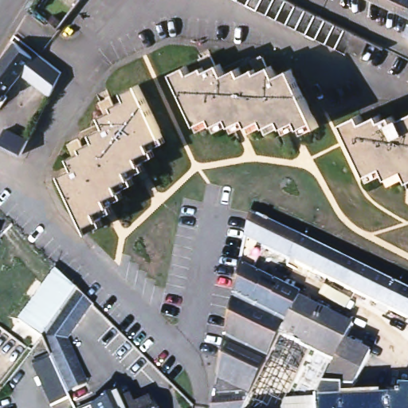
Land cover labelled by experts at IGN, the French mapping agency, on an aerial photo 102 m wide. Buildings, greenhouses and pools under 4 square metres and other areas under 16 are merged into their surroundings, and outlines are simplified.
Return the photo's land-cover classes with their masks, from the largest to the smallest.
<instances>
[{"label":"impervious surface","instance_id":"1","mask_svg":"<svg viewBox=\"0 0 408 408\"><path fill-rule=\"evenodd\" d=\"M37 0H0V61L14 41L21 40L22 37L32 35L51 38L53 45L45 59L61 70V80L54 86L51 94L45 96L41 100L40 110L32 116L27 126H22V134L25 140L19 153L0 147V231L6 236L10 234L11 228L18 229L29 242L45 247L49 257L56 258V268L76 285V295H86V298L92 301L91 306L84 311L72 330L73 343L78 347L91 373L86 381L88 387L70 390L69 395L51 402L41 386L40 378L33 370L32 363L33 357L45 351L48 346L43 335L18 317H14L13 328L10 331H6L0 325V408H92L91 403L99 400L100 394L113 389L118 390L120 395L129 392L134 398L148 395L158 408H209V405L215 403V382L218 379L215 376L217 352L223 351L222 341L225 339L222 333V316L229 309V298H233L234 282L231 280V274H239L237 263L244 257L257 260L269 255L268 249H263L261 244L252 239H247L242 244L239 239L245 222H250V210L241 214L234 210L229 204L231 188L210 182L206 169L242 163L301 167L314 175L324 191L325 198L330 202L331 209L335 210L336 217L347 228L408 260V252L398 249L384 239H379V236L408 226V220L382 206L381 202L371 196L370 191L365 190L367 183L357 182L363 198L370 202L371 206H375L398 222L375 231H365L346 217L328 188L324 175L320 174L319 167L314 163L316 159L339 148L336 143L312 155L308 148L301 145L300 151L293 159L261 156L253 151L250 140L242 142L244 153L241 156L210 163H198L190 145H185L183 150L190 159V169L167 190L159 191L158 188H153L150 206L143 210L142 214L137 215L131 225L124 226L120 220L112 223L115 233L118 234L115 258L108 257L104 249L88 236L92 231L91 225H81L70 206L69 196L64 193L59 182L62 163L70 158L69 143L81 129L78 120L84 110L91 104L92 97L102 94L107 91L105 83L113 70L129 64L134 59H143L150 78H156L155 67L150 61L151 53L167 45L193 46L198 49V62L186 65V70L190 72L210 67L223 73L234 72L239 75L263 69L273 70L274 75L292 72L296 88L300 89L301 96L317 124L320 121L328 124L330 121L343 123L349 118L355 123L387 120L394 124L398 135H405L403 116L408 115V25L406 19L400 18L398 14L387 13L379 6L365 3V0H89L76 16V32L69 27H62L70 13L64 11V16L59 21L49 24L40 14L33 11L32 5ZM194 174H199L202 182L206 183V193L202 201L182 199V223L178 225L175 234L169 276L166 287L159 288L147 279L137 266L132 265L127 255H124V242L129 234L134 233L135 229ZM182 368L188 373L191 381L194 395L191 402H188V398L172 382V379L180 375ZM293 273L301 274L309 285L319 288L320 295L335 301L331 304V311L355 320V327L351 328L347 336L360 339L370 349L362 359L367 367L363 368L359 378L355 379V386H378L379 389H389L395 386L397 379H408V322L394 311L375 314L365 308L357 309V295L343 285L325 279V273L320 269L312 268L303 261H298L296 265H287Z\"/></svg>","mask_w":408,"mask_h":408},{"label":"building","instance_id":"2","mask_svg":"<svg viewBox=\"0 0 408 408\"><path fill-rule=\"evenodd\" d=\"M89 0H78L70 13L62 27H69L76 32V16ZM365 3L379 6L387 13L398 14L400 18L406 19L408 25V0H365ZM53 45L51 38L32 35L22 37L21 40L14 41L0 61V112H5L11 100L27 88V84H32L33 88H37L45 96L51 94L54 86L61 80V70L45 59ZM167 86L171 89L172 97L182 113L186 127H190L193 132H233L237 140L242 142L250 140L252 132L255 131L261 132V135H268L269 132L287 134H309L317 129V124L301 96L300 89L296 88L292 72L274 75L273 70L263 69L239 75L234 72L223 73L210 67L190 72L175 70L166 76ZM104 100L97 104L102 116L94 118L91 126L81 129L69 143L70 158L62 163L59 182L64 193L69 196L70 206L81 225H91L92 231L99 228V225L92 220V214H108L107 207L102 206V201L112 198L113 201H118V194L113 193V186L121 183L129 188V182L123 177L124 172L132 169L139 174V166H135L134 159L143 156L150 159V153L145 151V145L150 142L155 145L161 143V131L140 88L127 89L120 97L115 94L110 97L107 91L102 94ZM405 135H398L394 124L387 120L355 123L349 118L343 123L330 121L328 124L330 129L335 135L336 143L339 148L343 151L346 163L351 167L352 175L357 182L367 183L365 190L370 191L381 185L390 186L394 183L403 185L405 191L408 190V115L403 116ZM25 140L22 134L16 135L10 129H5L0 134V147L19 153ZM239 239L242 244L247 239H252L261 244L263 249H268L269 255L257 260L244 257L237 263L239 274H231V280L234 282L233 298H229V309L222 316V333L225 339L222 341L223 351L217 352L215 376L218 379L215 382V403L209 405V408H408V379H397L395 386L389 389H379L378 386H355V379L359 378L363 368L367 367L362 359L370 349L360 339L347 336L351 328L355 327V320L331 311V304L335 301L320 295L319 288L309 285L301 274L293 273L287 265H296L298 261H303L312 268L320 269L325 273V279L343 285L357 295V309L365 308L375 314L394 311L408 322V284L359 258L352 257L343 250L336 249L327 242L309 236L300 229L285 225L258 210H250V222H245ZM76 285L56 268L49 271L43 282L35 280L30 285L29 303L25 304L18 317L43 335L48 346L45 351L33 357L32 363L33 370L40 378L41 386L51 402L69 395L70 390L88 387L86 381L91 373L78 347L73 343L72 330L84 311L91 306L92 301L86 298V295H76ZM92 408H158L148 395L134 398L129 392L120 395L118 390L113 389L100 394L99 400L91 403Z\"/></svg>","mask_w":408,"mask_h":408},{"label":"herbaceous vegetation","instance_id":"3","mask_svg":"<svg viewBox=\"0 0 408 408\"><path fill-rule=\"evenodd\" d=\"M198 49L193 46L167 45L151 53L150 61L155 67L156 78H150L143 59H134L129 64L113 70L105 83L107 91L110 97L115 94L120 97L127 89L140 88L161 131V143L155 145L150 142L145 145V151L150 153V159L143 156L134 159L135 166H139V174L132 169L124 172L123 177L129 182V188L121 183L113 186V193L118 194V201H113L112 198L102 201V206L107 207L108 214H92V220L99 225V228L92 231L88 236L104 249L108 257L115 258L118 234L115 233L112 223L120 220L124 226L131 225L137 215L142 214L143 210L150 206L153 188H158L159 191L167 190L190 169V159L183 150L185 145H190L198 163H210L241 156L244 153L242 142L237 140L233 132H193L190 127H186L182 113L172 97L171 89L167 86L166 76L175 70L190 72L186 70V65L198 62ZM104 100L102 94L92 97L91 104L84 110L78 120L81 129L91 126L94 118L102 116L97 104ZM336 143L335 135L330 129L325 132L322 139L314 140L308 148L312 155ZM253 151L261 156L293 159L300 151L292 148L287 134L269 132L268 135H261V132L255 131L252 132L250 140ZM314 163L319 167L320 174L324 175L328 188L346 217L365 231H375L398 222L375 206H371L370 202L363 198L357 182L352 175L351 167L346 163L343 151L339 148L316 159ZM210 182L231 188L229 204L234 210L241 214L250 210H258L285 225L300 229L309 236L327 242L336 249L343 250L352 257L359 258L408 284V260L347 228L336 217L335 210L331 209L330 202L325 198L324 191L314 175L301 167L242 163L206 169ZM206 193V183L202 182L199 174H194L135 229L134 233L129 234L124 242V255H127L132 265L137 266L147 279L159 288L166 287L169 276L175 234L178 225L182 223V199L202 201ZM371 196L381 202L382 206L408 220V190L405 191L403 185L394 183L390 186L381 185L370 191ZM379 239H384L398 249L408 252V226L379 236ZM56 258L49 257L45 247L29 242L18 229L11 228L10 234L6 236L0 231V325L6 331H10L13 328L14 317H18L25 304L29 303L30 285L35 280L43 282L49 271L56 268ZM172 382L188 398V402H191L194 395L191 381L188 373L182 368L180 375L172 379Z\"/></svg>","mask_w":408,"mask_h":408},{"label":"pervious surface","instance_id":"4","mask_svg":"<svg viewBox=\"0 0 408 408\"><path fill-rule=\"evenodd\" d=\"M45 96L37 88H33L32 84H27V88L11 100L5 112H0V134L5 129H10L16 135L22 134V126H27L32 116L40 110L41 100Z\"/></svg>","mask_w":408,"mask_h":408},{"label":"brushwood","instance_id":"5","mask_svg":"<svg viewBox=\"0 0 408 408\"><path fill-rule=\"evenodd\" d=\"M78 0H37L32 5L33 11L40 14L49 24L59 21L64 16V11L70 13ZM330 129L328 124L320 121L317 124V129L309 134H287L292 148L300 151L301 145L308 148L314 140L322 139L325 132Z\"/></svg>","mask_w":408,"mask_h":408}]
</instances>
